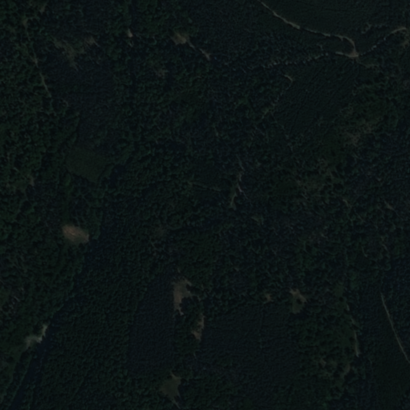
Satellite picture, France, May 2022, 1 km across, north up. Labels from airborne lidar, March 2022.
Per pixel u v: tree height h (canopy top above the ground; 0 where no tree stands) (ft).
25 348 0
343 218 104
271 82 31
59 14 110
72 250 57
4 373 86
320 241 128
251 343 80
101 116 101
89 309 105
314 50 44
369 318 82
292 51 114
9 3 106
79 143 90
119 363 98
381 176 93
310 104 34
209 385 93
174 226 88
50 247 80
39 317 70
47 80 50
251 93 123
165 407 97
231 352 87
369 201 102
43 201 114
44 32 100
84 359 84
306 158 31
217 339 68
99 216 84
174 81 109
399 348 40
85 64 111
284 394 51
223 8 85
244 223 119
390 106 56
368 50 50
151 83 110
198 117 29
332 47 36
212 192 29
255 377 87
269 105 103
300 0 25
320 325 118
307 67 108
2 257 60
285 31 35
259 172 36
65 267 63
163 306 95
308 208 24
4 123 127
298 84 34
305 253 109
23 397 102
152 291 89
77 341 87
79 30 98
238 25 52
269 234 126
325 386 48
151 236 87
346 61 24
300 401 62
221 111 105
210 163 38
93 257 104
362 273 82
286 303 86
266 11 44
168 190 94
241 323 70
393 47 42
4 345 114
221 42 82
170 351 112
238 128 117
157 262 100
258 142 28
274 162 30
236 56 36
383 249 42
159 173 99
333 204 127
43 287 104
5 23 110
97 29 76
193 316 93
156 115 72
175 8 95
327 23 43
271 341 78
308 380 66
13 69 123
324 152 24
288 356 71
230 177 34
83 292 107
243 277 98
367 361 95
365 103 37
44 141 102
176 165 113
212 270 100
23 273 91
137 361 104
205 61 130
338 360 95
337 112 33
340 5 47
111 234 109
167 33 47
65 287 94
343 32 58
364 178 112
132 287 87
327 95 29
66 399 84
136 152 127
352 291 116
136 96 53
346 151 27
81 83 55
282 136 33
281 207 26
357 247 54
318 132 30
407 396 95
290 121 33
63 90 65
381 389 41
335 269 128
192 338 95
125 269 83
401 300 91
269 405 80
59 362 99
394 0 62
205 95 118
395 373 44
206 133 102
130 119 51
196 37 100
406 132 102
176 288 0
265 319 71
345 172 133
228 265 98
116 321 95
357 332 94
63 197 104
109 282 93
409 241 91
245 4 55
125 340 66
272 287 120
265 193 79
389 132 53
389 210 103
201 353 94
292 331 100
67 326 103
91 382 68
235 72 108
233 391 89
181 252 98
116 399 96
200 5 77
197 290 96
